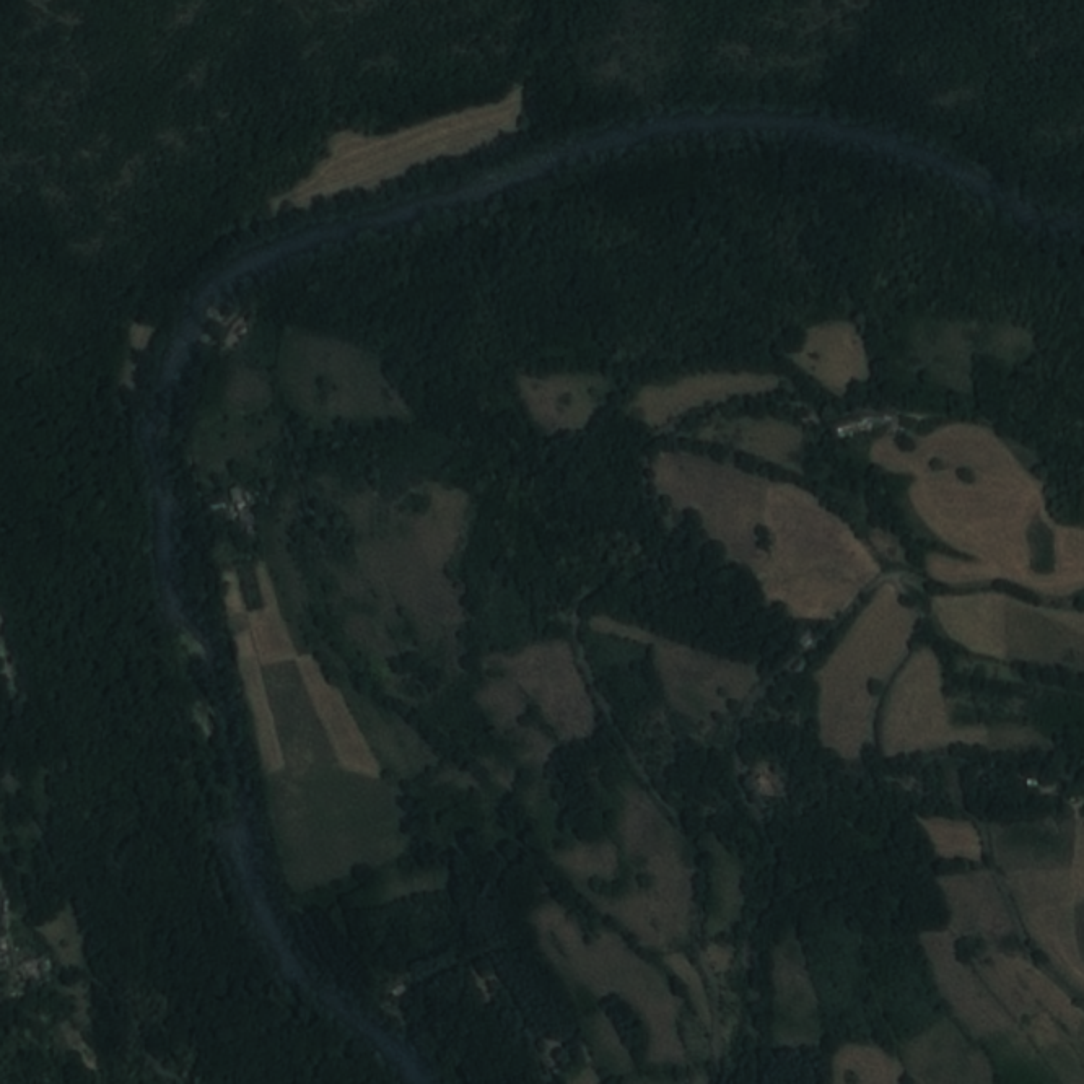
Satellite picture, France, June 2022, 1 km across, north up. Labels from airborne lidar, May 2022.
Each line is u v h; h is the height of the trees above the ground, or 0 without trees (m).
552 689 0
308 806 0
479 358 10
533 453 14
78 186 7
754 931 7
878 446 0
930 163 0
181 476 13
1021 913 0
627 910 0
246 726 22
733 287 16
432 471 0
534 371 13
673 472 0
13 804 14
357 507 0
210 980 28
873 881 12
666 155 16
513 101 0
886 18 22
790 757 17
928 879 6
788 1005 0
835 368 0
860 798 10
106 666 30
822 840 16
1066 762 10
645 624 11
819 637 14
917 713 0
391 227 9
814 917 12
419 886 0
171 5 6
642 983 0
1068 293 13
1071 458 12
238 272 0
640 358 9
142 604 16
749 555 0
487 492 8
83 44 8
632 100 13
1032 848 0
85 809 18
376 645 0
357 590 0
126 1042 14
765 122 0
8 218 18
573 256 17
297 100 12
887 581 0
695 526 13
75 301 8
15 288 18
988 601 0
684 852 0
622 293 22
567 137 18
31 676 22
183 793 28
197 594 29
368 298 17
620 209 14
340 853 0
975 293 13
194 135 12
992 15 13
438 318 13
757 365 16
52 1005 11
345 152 0
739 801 6
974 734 0
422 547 0
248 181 12
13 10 16
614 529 18
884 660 0
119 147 7
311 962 29
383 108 18
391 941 10
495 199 14
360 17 6
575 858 0
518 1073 18
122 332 20
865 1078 0
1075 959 0
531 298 18
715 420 10
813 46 10
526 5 17
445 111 16
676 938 0
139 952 25
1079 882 0
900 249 10
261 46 11
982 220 18
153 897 25
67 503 30
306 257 22
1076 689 10
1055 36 7
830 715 0
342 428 16
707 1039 6
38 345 13
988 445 0
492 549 6
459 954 14
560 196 9
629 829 0
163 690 25
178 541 20
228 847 0
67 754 22
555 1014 22
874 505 12
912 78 11
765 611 16
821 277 18
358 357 0
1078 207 23
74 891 24
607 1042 0
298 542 8
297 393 0
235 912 23
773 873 11
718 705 0
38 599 23
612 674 8
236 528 10
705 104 12
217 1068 24
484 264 6
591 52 7
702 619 20
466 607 10
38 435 28
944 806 12
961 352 0
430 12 11
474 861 25
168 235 15
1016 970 0
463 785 0
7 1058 13
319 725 0
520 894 26
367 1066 30
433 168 18
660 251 20
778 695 15
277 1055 28
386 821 0
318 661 10
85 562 20
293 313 13
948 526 0
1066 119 10
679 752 14
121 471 26
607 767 15
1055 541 0
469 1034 27
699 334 15
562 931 0
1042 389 18
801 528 0
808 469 10
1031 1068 0
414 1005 21
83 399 26
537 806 0
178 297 21
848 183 19
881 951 7
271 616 0
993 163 23
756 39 10
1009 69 17
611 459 10
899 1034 7
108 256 7
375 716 0
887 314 9
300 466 8
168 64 13
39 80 10
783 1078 27
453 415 15
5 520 30
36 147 9
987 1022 0
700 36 12
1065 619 0
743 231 11
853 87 19
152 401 18
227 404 0
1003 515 0
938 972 0
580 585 10
